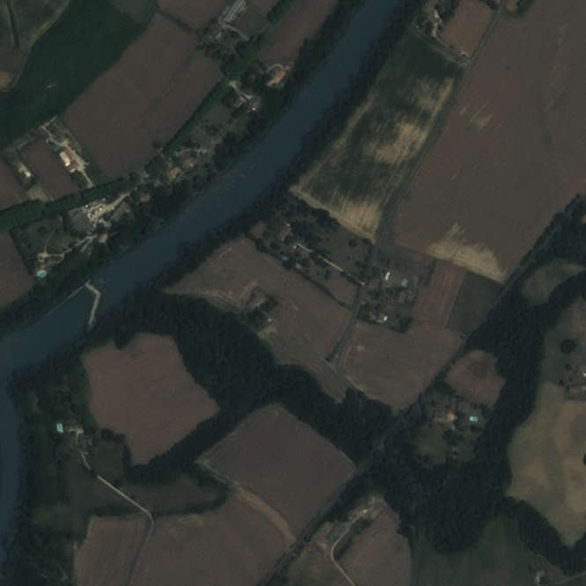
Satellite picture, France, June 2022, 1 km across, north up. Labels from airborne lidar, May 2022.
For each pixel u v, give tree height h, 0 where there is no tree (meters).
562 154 0
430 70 0
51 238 0
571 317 0
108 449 0
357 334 0
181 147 16
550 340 0
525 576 0
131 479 10
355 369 0
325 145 11
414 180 0
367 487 6
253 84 12
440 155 0
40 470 0
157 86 0
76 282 18
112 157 0
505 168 0
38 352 0
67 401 12
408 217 0
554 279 0
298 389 28
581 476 0
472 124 0
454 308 0
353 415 20
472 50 0
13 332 0
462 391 0
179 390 0
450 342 0
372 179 0
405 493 17
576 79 0
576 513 0
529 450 0
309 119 0
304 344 0
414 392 0
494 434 23
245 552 0
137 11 0
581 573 15
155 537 0
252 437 0
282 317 0
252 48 24
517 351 17
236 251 0
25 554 10
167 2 0
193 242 0
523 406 21
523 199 0
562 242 22
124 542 0
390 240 0
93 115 0
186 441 11
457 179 0
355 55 0
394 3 0
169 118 0
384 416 15
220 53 12
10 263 0
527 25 0
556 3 0
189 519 0
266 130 36
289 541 0
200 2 0
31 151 0
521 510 22
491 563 0
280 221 6
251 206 7
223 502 9
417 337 0
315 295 0
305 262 12
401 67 0
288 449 0
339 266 0
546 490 0
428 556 0
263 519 0
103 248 12
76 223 0
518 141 0
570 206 12
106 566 0
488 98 0
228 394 11
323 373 0
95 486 0
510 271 0
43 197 0
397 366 0
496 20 0
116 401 0
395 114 0
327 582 0
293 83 14
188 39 0
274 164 0
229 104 10
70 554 0
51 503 0
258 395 10
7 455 0
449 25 0
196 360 11
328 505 0
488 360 0
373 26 0
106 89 0
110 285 0
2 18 0
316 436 0
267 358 16
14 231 14
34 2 0
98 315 0
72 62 7
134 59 0
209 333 17
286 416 0
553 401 0
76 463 0
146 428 0
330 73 0
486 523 15
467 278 0
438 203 0
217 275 0
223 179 0
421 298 0
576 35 0
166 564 0
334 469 0
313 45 18
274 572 0
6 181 0
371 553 0
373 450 9
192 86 0
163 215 36
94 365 0
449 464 9
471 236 0
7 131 8
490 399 0
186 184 14
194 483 0
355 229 0
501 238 0
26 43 0
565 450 0
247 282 0
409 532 9
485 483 20
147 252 0
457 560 0
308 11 0
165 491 0
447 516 23
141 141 0
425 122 0
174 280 15
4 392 0
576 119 0
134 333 16
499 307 10
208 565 0
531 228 0
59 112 15
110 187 17
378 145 0
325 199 0
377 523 0
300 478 0
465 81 0
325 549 0
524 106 0
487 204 0
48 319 0
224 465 0
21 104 8
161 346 0
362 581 0
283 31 0
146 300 20
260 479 0
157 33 0
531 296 0
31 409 0
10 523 11
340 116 12
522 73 0
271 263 0
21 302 6
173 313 35
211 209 0
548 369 0
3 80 0
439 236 0
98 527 0
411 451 15
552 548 26
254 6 0
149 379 0
